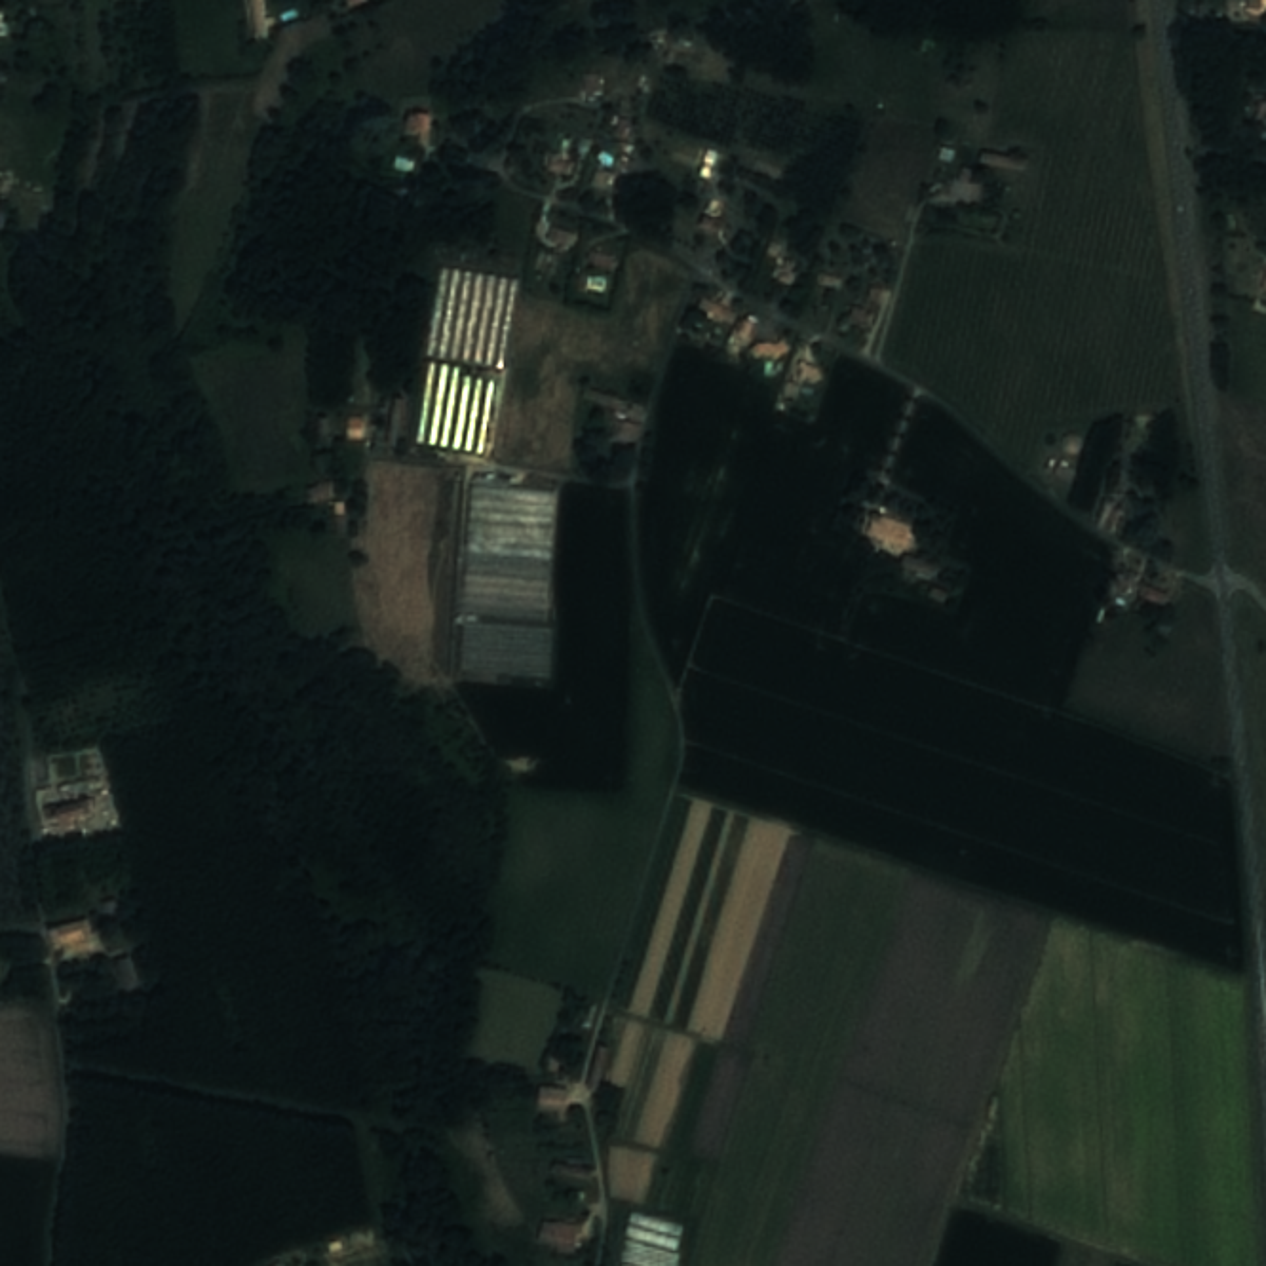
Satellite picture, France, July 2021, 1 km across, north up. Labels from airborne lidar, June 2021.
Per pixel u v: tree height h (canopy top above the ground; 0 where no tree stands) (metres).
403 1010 25
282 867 17
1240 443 0
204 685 15
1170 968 0
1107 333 0
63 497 22
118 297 9
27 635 13
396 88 0
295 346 0
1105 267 0
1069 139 0
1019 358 0
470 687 0
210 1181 20
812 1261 0
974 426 0
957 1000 0
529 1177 0
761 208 9
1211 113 10
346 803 15
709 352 7
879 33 17
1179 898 0
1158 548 13
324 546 0
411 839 15
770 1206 0
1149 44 0
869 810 0
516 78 24
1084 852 0
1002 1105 0
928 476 0
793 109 9
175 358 12
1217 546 0
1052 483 0
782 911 0
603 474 20
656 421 0
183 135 8
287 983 17
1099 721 0
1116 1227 0
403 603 0
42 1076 0
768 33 20
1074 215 0
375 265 21
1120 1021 0
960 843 0
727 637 0
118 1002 15
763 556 0
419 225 19
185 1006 17
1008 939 0
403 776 9
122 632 16
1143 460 17
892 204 0
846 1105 0
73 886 20
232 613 19
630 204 16
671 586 0
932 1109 0
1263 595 0
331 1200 14
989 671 0
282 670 24
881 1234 0
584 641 0
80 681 8
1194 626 0
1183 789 0
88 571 18
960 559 0
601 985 0
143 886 14
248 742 19
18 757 8
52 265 35
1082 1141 0
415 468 0
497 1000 0
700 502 0
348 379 12
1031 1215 0
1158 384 0
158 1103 19
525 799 0
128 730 7
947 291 0
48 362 24
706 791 0
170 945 16
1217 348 9
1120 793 0
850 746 0
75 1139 15
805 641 0
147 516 31
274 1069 15
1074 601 0
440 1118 20
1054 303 0
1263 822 0
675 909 0
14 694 13
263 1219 18
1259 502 0
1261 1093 0
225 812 9
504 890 0
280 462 0
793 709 0
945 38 14
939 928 0
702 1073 0
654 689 0
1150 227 0
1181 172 0
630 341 0
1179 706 0
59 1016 7
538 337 0
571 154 7
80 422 27
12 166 0
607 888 0
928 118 0
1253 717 0
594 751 0
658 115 8
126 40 9
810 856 0
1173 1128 0
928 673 0
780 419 0
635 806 0
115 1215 19
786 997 0
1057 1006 0
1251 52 14
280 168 7
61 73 12
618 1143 0
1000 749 0
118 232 18
